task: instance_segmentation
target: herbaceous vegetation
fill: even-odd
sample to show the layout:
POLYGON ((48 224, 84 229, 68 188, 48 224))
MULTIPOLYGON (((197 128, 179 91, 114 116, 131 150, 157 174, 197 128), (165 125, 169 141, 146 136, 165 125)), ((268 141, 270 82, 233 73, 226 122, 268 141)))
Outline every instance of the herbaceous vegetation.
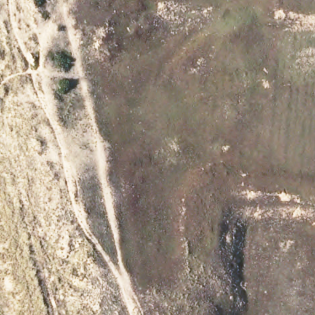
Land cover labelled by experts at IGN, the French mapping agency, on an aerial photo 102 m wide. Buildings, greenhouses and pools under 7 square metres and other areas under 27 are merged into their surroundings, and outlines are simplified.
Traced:
POLYGON ((284 28, 281 30, 274 14, 278 10, 283 10, 315 16, 315 0, 76 0, 75 5, 68 10, 68 14, 73 15, 75 22, 81 25, 82 21, 86 20, 87 26, 101 28, 108 23, 108 27, 113 27, 113 31, 106 33, 102 38, 102 43, 110 55, 103 60, 97 59, 82 69, 85 71, 94 102, 98 132, 108 143, 108 182, 118 224, 123 265, 130 281, 135 278, 140 287, 146 290, 155 289, 157 294, 161 293, 164 287, 170 289, 175 285, 180 279, 178 273, 185 271, 183 257, 188 250, 187 242, 192 242, 194 252, 201 252, 203 256, 209 257, 214 247, 219 245, 221 213, 230 208, 236 213, 247 208, 245 202, 249 198, 242 196, 242 191, 297 194, 303 202, 308 202, 310 196, 315 196, 315 69, 303 73, 298 68, 295 69, 293 64, 295 59, 301 58, 298 52, 315 48, 315 37, 311 37, 311 31, 292 32, 285 31, 284 28), (221 18, 229 17, 239 28, 224 36, 209 34, 204 38, 198 36, 196 27, 186 32, 171 34, 169 23, 157 15, 157 5, 162 1, 175 1, 176 4, 185 5, 188 12, 203 11, 209 6, 215 7, 221 18))
POLYGON ((245 282, 241 283, 241 287, 249 297, 247 315, 315 315, 315 225, 301 215, 292 219, 246 217, 245 282))

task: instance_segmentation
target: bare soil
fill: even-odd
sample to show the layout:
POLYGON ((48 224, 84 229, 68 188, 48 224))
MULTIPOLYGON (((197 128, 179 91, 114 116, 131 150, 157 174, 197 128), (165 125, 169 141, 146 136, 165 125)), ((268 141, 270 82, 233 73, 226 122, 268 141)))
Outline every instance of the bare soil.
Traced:
POLYGON ((315 69, 315 48, 298 52, 301 58, 295 59, 293 64, 295 69, 298 68, 303 73, 315 69))
POLYGON ((157 5, 157 15, 169 23, 171 34, 186 32, 196 27, 198 36, 204 38, 209 34, 224 36, 239 28, 229 17, 221 18, 215 7, 209 6, 203 11, 188 12, 185 5, 176 4, 175 1, 162 1, 157 5))
POLYGON ((281 30, 284 28, 285 31, 292 32, 311 31, 311 37, 315 37, 315 16, 283 10, 278 10, 274 14, 281 30))
POLYGON ((241 287, 241 283, 245 282, 246 217, 292 219, 301 215, 315 225, 315 196, 310 196, 308 202, 303 202, 297 194, 242 191, 242 196, 249 198, 245 202, 247 208, 236 213, 230 208, 221 213, 219 245, 214 247, 209 257, 203 256, 201 252, 194 252, 192 242, 187 242, 188 250, 183 257, 185 271, 178 273, 180 279, 175 285, 170 289, 164 287, 161 293, 157 294, 155 289, 146 290, 140 287, 135 278, 130 281, 134 292, 132 301, 138 315, 247 315, 249 297, 241 287))
POLYGON ((79 47, 82 69, 97 59, 103 60, 110 55, 102 43, 102 38, 106 33, 113 31, 113 27, 108 27, 108 23, 101 28, 87 26, 86 20, 82 21, 81 25, 75 22, 74 30, 81 32, 79 47))
POLYGON ((33 84, 33 79, 27 71, 28 60, 12 32, 9 0, 0 0, 0 315, 129 315, 116 277, 96 249, 94 242, 82 230, 74 210, 68 209, 68 205, 73 204, 69 197, 68 180, 64 175, 62 149, 58 144, 57 134, 46 116, 46 110, 32 101, 15 101, 18 91, 27 84, 33 84))
POLYGON ((86 223, 121 274, 97 167, 85 164, 84 171, 79 176, 79 183, 86 223))
POLYGON ((80 111, 85 108, 84 98, 75 89, 65 95, 63 102, 57 101, 58 121, 65 129, 74 129, 78 121, 81 121, 80 111))

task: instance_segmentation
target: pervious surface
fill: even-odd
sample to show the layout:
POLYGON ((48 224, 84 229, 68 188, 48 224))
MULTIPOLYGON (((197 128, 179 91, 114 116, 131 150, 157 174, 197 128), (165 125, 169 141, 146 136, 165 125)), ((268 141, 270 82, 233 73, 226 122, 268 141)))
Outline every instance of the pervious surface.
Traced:
POLYGON ((134 292, 130 281, 123 265, 118 224, 108 182, 108 143, 98 132, 94 102, 85 71, 82 69, 79 47, 81 32, 74 30, 75 22, 73 15, 68 14, 68 10, 75 5, 76 0, 9 0, 12 32, 28 60, 27 71, 33 79, 33 84, 27 84, 18 91, 15 101, 32 101, 46 110, 46 116, 57 134, 58 144, 62 149, 64 175, 68 180, 69 197, 73 204, 68 205, 68 209, 74 210, 82 230, 94 242, 96 249, 116 277, 129 315, 138 315, 132 301, 134 292), (75 59, 73 68, 70 71, 54 68, 52 60, 47 57, 48 50, 70 52, 75 59), (80 111, 81 121, 78 121, 74 129, 65 129, 58 121, 57 101, 53 92, 59 89, 60 79, 78 80, 79 84, 75 89, 84 98, 85 108, 80 111), (97 167, 121 274, 86 223, 79 183, 79 176, 84 171, 85 164, 97 167))

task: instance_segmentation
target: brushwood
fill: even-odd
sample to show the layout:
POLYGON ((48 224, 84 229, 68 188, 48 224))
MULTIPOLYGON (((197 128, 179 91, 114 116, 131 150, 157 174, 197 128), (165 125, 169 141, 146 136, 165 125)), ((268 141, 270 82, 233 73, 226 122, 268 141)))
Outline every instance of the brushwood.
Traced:
POLYGON ((54 68, 70 71, 73 68, 75 59, 70 52, 48 50, 47 57, 52 60, 54 68))
POLYGON ((57 101, 63 102, 65 95, 75 89, 79 84, 78 80, 60 79, 59 89, 53 92, 57 101))

